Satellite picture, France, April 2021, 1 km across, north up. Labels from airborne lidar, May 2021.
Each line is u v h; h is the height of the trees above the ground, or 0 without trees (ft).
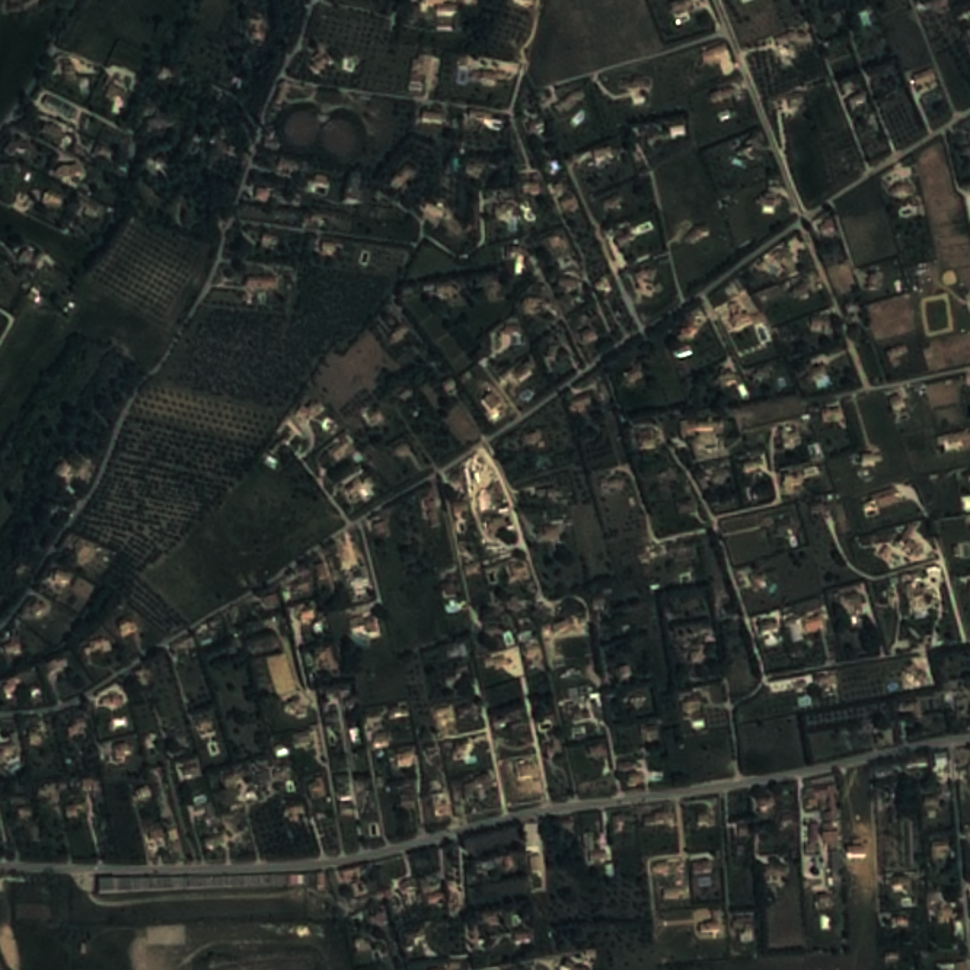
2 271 0
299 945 0
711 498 38
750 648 41
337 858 0
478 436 0
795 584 0
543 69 0
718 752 0
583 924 43
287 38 26
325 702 30
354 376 0
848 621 34
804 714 23
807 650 28
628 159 22
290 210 34
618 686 39
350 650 56
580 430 45
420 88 0
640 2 0
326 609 29
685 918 0
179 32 36
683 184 0
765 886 28
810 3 26
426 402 22
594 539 0
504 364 23
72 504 36
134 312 0
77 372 21
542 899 0
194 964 0
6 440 24
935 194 0
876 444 0
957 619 0
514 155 28
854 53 22
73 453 44
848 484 0
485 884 22
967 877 23
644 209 18
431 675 43
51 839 23
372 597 29
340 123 0
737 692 19
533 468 30
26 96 44
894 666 0
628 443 35
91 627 35
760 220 0
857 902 0
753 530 0
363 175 21
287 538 0
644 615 0
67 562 34
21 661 38
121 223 38
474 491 0
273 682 0
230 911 0
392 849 0
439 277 31
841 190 0
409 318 34
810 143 0
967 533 0
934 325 0
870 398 0
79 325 0
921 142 0
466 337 32
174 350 17
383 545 38
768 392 38
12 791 36
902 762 37
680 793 0
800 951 21
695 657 0
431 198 27
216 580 0
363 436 18
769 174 22
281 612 21
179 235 32
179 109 34
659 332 29
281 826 22
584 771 0
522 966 19
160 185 33
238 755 26
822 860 21
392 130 0
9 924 0
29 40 0
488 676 0
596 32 0
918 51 0
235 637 32
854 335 26
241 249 50
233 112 31
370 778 25
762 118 0
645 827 21
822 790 0
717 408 39
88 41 0
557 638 0
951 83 0
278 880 0
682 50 0
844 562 28
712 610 21
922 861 21
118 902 0
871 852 0
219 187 58
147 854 0
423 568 28
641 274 0
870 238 0
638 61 0
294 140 0
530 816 0
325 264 23
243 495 0
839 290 19
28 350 0
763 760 0
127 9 0
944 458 0
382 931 34
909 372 0
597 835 19
